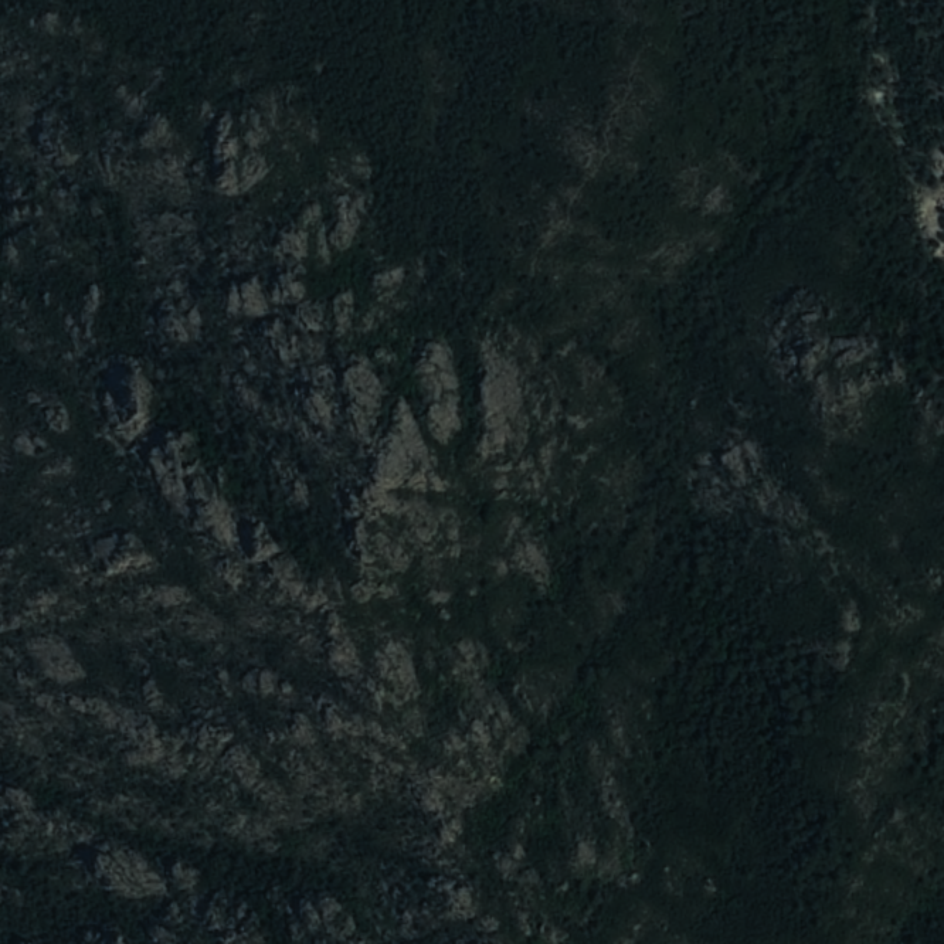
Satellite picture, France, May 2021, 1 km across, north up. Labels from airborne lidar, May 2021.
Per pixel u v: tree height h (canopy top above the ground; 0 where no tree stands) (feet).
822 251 26
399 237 40
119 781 21
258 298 0
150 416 26
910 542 18
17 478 22
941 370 44
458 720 20
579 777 22
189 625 27
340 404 32
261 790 22
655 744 24
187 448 31
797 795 55
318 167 22
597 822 22
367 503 24
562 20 35
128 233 18
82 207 29
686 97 47
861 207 21
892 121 73
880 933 33
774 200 96
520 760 36
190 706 31
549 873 32
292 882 40
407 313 30
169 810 26
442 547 19
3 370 30
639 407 43
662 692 31
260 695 20
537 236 32
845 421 24
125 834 45
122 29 22
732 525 24
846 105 37
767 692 46
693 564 71
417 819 20
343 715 37
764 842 25
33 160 33
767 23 28
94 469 20
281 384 46
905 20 36
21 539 20
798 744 43
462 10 18
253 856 28
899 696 39
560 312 54
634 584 24
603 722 19
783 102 96
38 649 0
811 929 43
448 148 52
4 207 19
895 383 21
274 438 65
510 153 45
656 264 22
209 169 27
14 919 28
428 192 56
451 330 51
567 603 44
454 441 26
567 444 22
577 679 21
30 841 28
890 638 29
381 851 22
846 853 18
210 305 36
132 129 23
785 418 25
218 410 70
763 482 30
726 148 28
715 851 23
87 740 41
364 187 49
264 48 27
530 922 24
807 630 22
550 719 32
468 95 48
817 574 21
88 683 24
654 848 20
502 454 29
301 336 51
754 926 39
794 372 26
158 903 31
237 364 20
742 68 88
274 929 56
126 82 24
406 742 22
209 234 38
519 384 38
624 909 22
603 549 80
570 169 33
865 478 31
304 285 33
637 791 21
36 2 24
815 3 25
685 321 83
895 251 77
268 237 18
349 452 39
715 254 27
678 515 94
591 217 48
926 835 31
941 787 22
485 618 25
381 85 38
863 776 22
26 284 44
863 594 24
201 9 45
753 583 36
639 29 22
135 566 36
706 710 20
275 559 20
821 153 98
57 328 21
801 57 103
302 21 68
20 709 23
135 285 26
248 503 75
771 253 34
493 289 37
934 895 25
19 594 41
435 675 18
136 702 26
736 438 23
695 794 26
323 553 17
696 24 66
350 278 28
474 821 31
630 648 18
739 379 20
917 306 72
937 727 99
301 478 30
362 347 27
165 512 32
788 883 44
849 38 41
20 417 25
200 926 25
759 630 23
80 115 22
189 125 26
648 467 35
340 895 27
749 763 39
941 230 0
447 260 57
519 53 68
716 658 101
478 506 43
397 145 37
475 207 50
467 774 18
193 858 48
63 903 20
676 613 45
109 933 19
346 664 0
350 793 30
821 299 19
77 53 34
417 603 31
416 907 51
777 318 18
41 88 28
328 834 27
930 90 24
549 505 33
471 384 29
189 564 20
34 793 42
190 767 33
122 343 29
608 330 54
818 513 23
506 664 44
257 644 31
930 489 22
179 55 29
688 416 22
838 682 32
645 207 59
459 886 49
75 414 21
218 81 20
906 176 56
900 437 18
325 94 58
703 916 23
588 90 24
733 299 25
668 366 29
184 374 60
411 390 35
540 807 30
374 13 73
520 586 27
